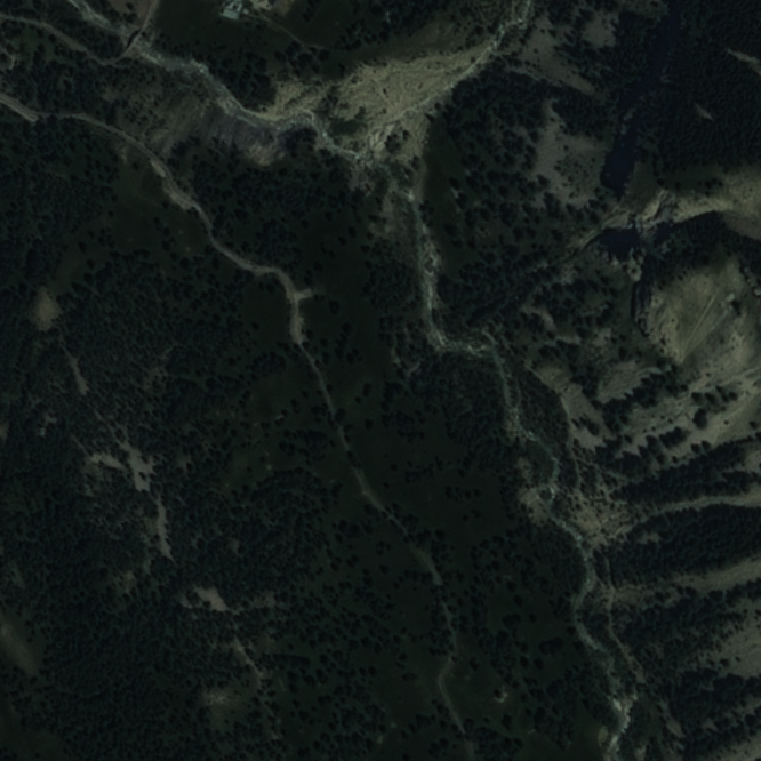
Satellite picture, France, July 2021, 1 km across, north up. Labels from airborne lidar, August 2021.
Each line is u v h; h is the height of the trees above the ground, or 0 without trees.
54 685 7
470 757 0
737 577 0
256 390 0
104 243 19
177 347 8
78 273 0
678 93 17
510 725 25
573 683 19
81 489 12
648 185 0
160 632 24
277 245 14
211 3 0
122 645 21
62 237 15
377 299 22
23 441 19
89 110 15
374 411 0
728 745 19
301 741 0
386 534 0
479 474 0
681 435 17
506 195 25
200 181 14
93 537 21
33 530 10
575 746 0
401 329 13
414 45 0
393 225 0
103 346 22
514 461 9
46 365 21
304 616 16
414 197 0
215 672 14
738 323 0
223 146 8
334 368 0
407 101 0
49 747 0
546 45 0
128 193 0
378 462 0
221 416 0
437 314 12
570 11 14
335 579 0
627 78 21
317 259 0
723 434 0
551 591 19
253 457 0
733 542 25
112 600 18
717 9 12
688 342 0
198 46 8
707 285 0
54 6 7
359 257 0
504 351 10
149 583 24
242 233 0
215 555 25
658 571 23
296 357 21
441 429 0
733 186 0
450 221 0
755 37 15
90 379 20
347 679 18
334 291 0
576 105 23
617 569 15
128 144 0
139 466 0
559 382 0
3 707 0
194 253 0
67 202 11
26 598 10
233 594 16
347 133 6
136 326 26
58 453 26
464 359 9
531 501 0
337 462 0
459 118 23
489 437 7
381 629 19
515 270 24
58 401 15
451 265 0
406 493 0
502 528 0
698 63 22
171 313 8
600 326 12
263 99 11
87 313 26
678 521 20
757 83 15
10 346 23
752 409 0
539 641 0
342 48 8
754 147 15
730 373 0
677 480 25
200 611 18
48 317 0
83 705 14
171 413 24
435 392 21
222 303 14
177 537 16
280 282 15
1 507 13
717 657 0
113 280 21
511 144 16
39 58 18
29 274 21
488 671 0
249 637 18
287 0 0
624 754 7
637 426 0
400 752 0
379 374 0
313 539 6
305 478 18
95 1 12
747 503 0
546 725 21
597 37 0
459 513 0
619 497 13
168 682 0
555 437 11
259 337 0
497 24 12
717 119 12
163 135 0
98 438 17
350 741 19
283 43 0
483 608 19
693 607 22
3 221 17
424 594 0
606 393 0
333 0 0
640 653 18
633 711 7
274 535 16
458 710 0
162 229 18
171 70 0
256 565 15
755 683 16
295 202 16
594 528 0
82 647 16
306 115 0
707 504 0
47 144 13
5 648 0
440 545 12
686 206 0
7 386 16
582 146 0
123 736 15
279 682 0
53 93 22
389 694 0
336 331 0
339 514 0
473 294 24
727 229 14
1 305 26
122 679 8
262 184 14
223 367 0
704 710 26
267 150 0
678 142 21
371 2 7
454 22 7
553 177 0
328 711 0
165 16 0
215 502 9
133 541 28
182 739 9
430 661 0
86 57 11
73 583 10
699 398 14
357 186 0
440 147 0
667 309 0
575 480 13
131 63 10
